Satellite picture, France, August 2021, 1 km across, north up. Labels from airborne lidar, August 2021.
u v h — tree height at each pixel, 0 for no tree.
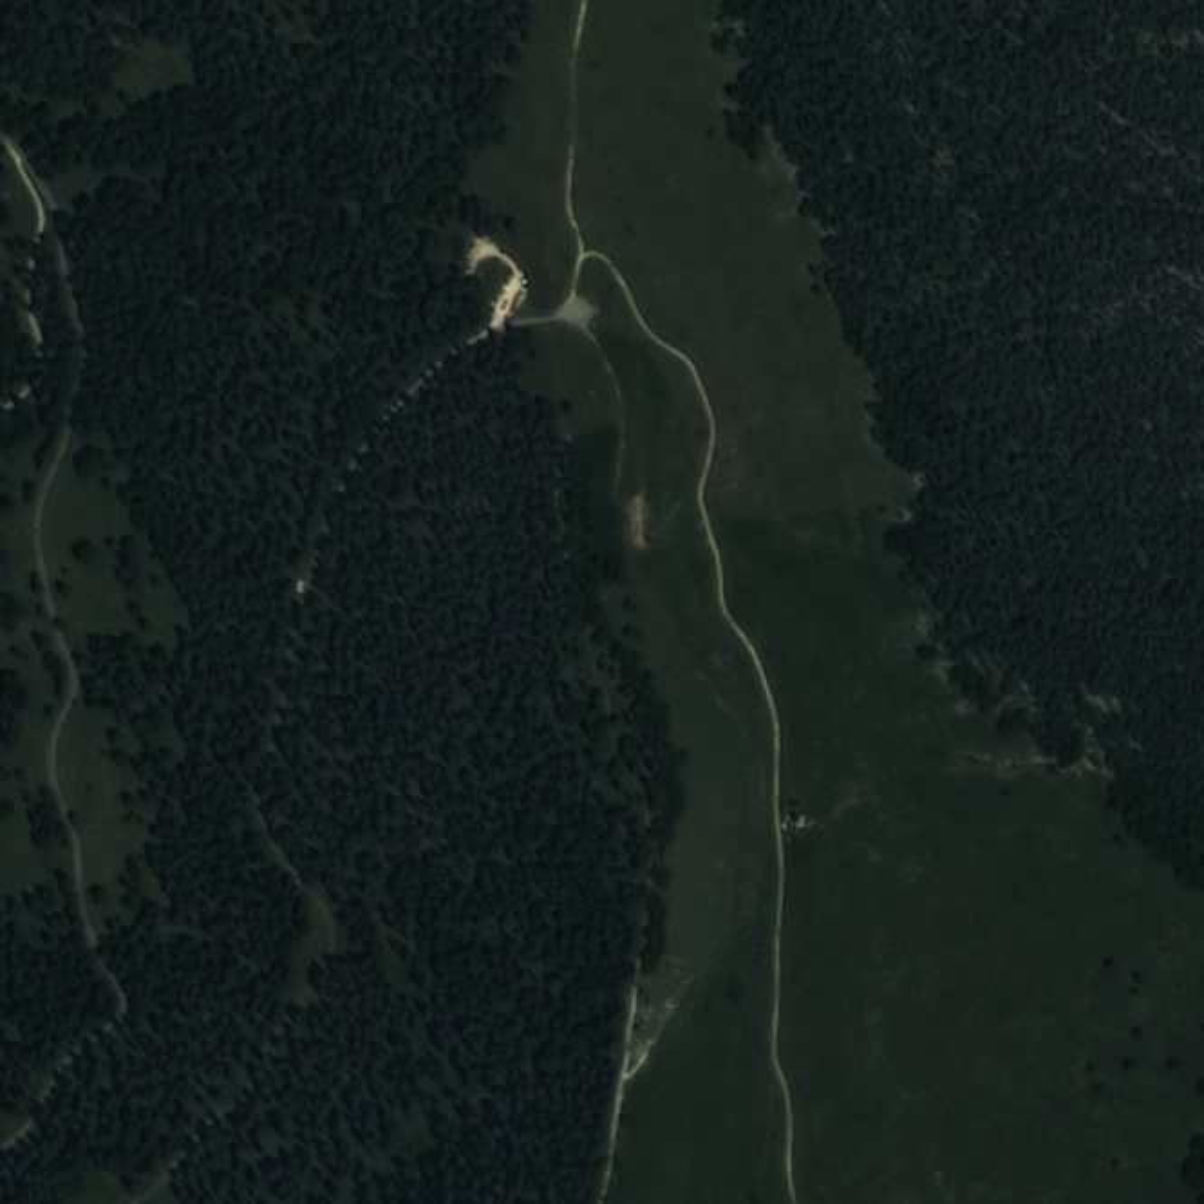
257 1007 26
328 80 22
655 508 0
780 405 0
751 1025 0
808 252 0
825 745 0
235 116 11
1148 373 14
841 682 0
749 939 0
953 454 9
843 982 0
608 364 0
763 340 0
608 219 0
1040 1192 0
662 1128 0
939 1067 0
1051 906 0
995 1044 0
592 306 0
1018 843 0
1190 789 13
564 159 0
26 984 12
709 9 0
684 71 0
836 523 0
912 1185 0
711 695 0
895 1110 0
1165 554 17
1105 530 19
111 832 0
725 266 0
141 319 19
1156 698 16
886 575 0
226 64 27
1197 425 17
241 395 24
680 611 0
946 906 0
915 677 0
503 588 19
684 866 0
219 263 16
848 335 8
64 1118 30
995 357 14
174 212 15
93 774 0
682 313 0
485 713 16
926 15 14
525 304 0
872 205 11
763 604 0
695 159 0
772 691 0
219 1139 23
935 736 0
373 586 15
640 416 0
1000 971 0
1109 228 7
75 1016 25
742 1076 0
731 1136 0
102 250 10
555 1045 17
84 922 16
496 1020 19
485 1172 10
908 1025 0
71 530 0
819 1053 0
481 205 21
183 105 18
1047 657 19
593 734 23
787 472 0
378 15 16
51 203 0
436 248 22
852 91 13
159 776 11
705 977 0
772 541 0
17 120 15
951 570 13
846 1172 0
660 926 13
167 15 18
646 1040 0
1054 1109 0
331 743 26
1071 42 23
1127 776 9
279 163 7
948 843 0
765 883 0
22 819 0
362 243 17
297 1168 24
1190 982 0
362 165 11
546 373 0
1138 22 13
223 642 24
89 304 20
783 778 0
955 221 18
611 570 12
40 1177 24
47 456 11
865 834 0
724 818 0
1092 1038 0
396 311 12
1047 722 7
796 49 13
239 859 15
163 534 16
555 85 0
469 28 16
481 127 17
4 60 18
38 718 0
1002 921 0
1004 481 18
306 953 0
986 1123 0
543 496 10
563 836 14
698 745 0
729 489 0
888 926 0
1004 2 15
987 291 8
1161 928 0
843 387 0
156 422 20
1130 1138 0
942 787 0
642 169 0
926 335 17
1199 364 13
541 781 19
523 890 14
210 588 23
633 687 10
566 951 17
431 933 23
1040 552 17
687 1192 0
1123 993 0
